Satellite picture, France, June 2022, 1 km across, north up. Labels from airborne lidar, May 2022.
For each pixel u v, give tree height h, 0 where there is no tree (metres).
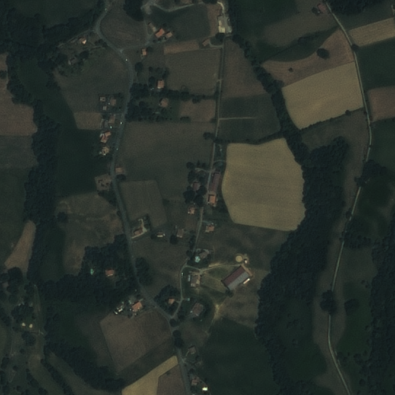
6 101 0
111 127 0
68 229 0
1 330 0
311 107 0
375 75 0
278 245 0
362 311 0
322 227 26
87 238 0
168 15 0
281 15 0
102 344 0
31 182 19
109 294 23
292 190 0
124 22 0
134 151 0
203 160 0
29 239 0
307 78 0
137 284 21
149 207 0
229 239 0
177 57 0
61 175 0
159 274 0
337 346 0
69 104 0
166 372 0
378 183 0
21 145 0
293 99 0
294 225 0
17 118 0
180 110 0
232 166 0
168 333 0
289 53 0
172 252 0
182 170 0
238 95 0
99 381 24
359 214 0
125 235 7
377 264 13
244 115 0
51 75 13
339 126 0
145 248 0
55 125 22
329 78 0
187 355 0
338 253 0
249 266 0
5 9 20
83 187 0
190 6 0
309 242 20
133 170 0
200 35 0
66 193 0
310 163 29
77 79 0
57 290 19
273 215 0
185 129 0
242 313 0
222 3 0
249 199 0
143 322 0
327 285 0
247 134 0
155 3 0
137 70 13
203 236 0
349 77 0
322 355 0
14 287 25
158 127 0
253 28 0
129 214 0
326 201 20
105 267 23
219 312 0
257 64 15
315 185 23
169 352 0
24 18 8
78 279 16
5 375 20
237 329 0
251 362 0
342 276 0
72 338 0
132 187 0
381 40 0
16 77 20
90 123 0
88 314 0
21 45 23
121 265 10
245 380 0
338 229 0
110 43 0
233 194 0
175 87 0
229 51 0
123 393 0
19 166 0
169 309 11
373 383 21
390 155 0
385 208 0
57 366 0
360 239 22
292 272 16
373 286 13
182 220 0
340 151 14
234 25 16
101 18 0
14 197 0
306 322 0
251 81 0
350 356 11
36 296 0
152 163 0
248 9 0
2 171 0
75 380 0
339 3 22
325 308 15
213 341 0
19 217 0
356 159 0
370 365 14
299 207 0
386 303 24
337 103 0
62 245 0
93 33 8
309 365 0
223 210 6
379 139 0
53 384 0
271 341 15
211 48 0
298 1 0
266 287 20
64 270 0
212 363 0
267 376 0
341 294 0
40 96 0
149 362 0
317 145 0
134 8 22
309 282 17
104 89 0
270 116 0
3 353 0
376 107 0
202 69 0
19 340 0
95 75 0
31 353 0
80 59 8
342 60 0
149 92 21
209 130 0
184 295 0
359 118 0
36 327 0
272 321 20
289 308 0
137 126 0
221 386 0
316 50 0
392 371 0
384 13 0
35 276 24
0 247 0
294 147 18
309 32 0
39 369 0
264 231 0
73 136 0
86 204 0
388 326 13
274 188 0
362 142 0
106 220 0
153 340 0
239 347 0
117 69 0
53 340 19
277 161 0
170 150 0
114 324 0
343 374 0
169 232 0
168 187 0
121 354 0
